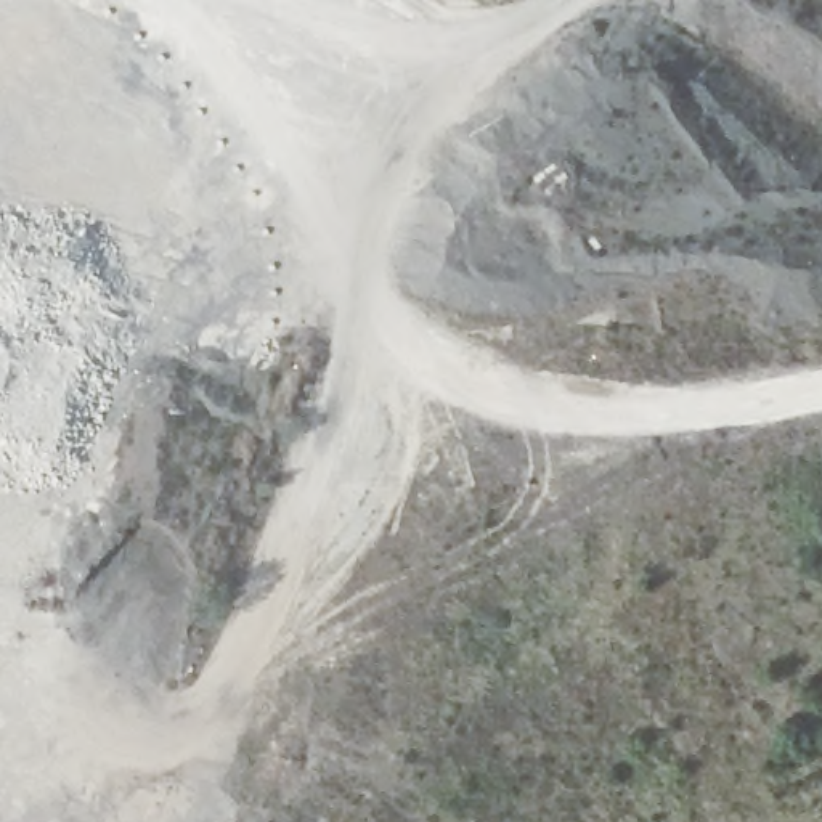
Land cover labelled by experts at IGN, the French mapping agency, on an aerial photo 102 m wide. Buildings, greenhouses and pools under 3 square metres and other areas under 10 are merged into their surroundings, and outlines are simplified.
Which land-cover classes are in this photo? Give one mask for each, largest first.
<instances>
[{"label":"pervious surface","instance_id":"1","mask_svg":"<svg viewBox=\"0 0 822 822\"><path fill-rule=\"evenodd\" d=\"M822 206V0H0V822H270V809L263 803L270 783L279 787L286 803L302 800L308 783L334 774L372 777L385 796H401L414 790V767L405 761L408 735L395 722L379 719V739H366L344 735L331 719L337 716V706L347 694L350 658L360 655V645L376 642L379 636V629L360 633V623L379 610L395 607L398 600H408L433 581L466 572L475 543H485L488 536L485 511H498L517 520L520 504H527V494H533L530 514L536 517L546 507V501H559L568 491L581 488L591 475L613 469L617 462H626L633 453L645 446L649 437L658 433L764 427L790 417L822 414V366L790 369L783 376H764V369H758L751 376H729L687 385H633L597 376H565V350L539 353L533 340L546 334L549 315L559 318L565 328L610 324L617 305H649L661 292H671L674 283H690L700 273H722L729 283H739L751 292L755 305L748 324L761 321L764 328H783L790 321H812L819 318V308L809 295L806 270H787L777 263L729 257L716 250L626 254L623 231H636L642 238L703 234L710 228L732 225L735 212L774 222L780 209ZM180 363L206 369L222 382L244 385V392L257 401L254 411H234L228 405H218L202 385H193V398L209 414L228 424H241V437L234 440L238 459H250V443L257 437L270 440L273 433H279V443L286 450V472L292 475V482H286L276 491V501L250 555L247 584L222 636L196 626L186 617L183 597L189 591H199L193 549L189 539L173 523L157 520L154 511L161 491L157 440L164 433V421L177 417L170 389Z\"/></svg>","mask_w":822,"mask_h":822},{"label":"herbaceous vegetation","instance_id":"2","mask_svg":"<svg viewBox=\"0 0 822 822\"><path fill-rule=\"evenodd\" d=\"M626 254L716 250L729 257L777 263L787 270H806L809 295L819 308V318L812 321H790L783 328H764L761 321L748 324L755 305L751 292L739 283H729L722 273H700L690 283H674L671 292H661L649 305H617L610 324L565 328L559 318L549 315L546 334L533 340L539 353L565 350V376H597L633 385H687L729 376H751L758 369H764V376H783L790 369L822 366V206L780 209L774 222L735 212L732 225L710 228L703 234L642 238L636 231H623ZM193 385H202L218 405H228L234 411H254L257 401L244 392V385L222 382L206 369L180 363L170 389L177 417L164 421V433L157 440L161 491L154 511L157 520L173 523L189 539L193 549L199 591H189L183 597L186 617L196 626L222 636L247 584L250 555L276 501V491L286 482H292V475L286 472V450L279 443V433H273L270 440L257 437L250 443V459H238L234 440L241 437V424H228L209 414L193 398ZM780 456H809L822 462V414L790 417L764 427L658 433L649 437L645 446L633 453L626 462H617L613 469L591 475L581 488L568 491L559 501H546V507L536 517L530 514L533 494H527V504H520L517 520L498 511H485L488 536L485 543H475L466 572L433 581L408 600H398L395 607L379 610L360 623V633L379 629V636L376 642L360 645V655L350 658L347 694L337 706V716L331 719L344 735L366 739H379V719L395 722L408 735L405 761L414 767V790L401 796H385L372 777L334 774L308 783L302 800L286 803L279 787L270 783L263 803L270 809V822H822V758L806 761L803 751H796L793 745V735L783 732V722L800 713V694H790L783 678L796 674L809 684L812 674L822 671V581L800 572V546L787 523V514L777 504V491H764V475L771 472V459Z\"/></svg>","mask_w":822,"mask_h":822},{"label":"brushwood","instance_id":"3","mask_svg":"<svg viewBox=\"0 0 822 822\"><path fill-rule=\"evenodd\" d=\"M764 491H777V504L787 514V523L800 546V572L822 581V462L809 456H780L771 459V472L764 475Z\"/></svg>","mask_w":822,"mask_h":822},{"label":"deciduous trees","instance_id":"4","mask_svg":"<svg viewBox=\"0 0 822 822\"><path fill-rule=\"evenodd\" d=\"M790 694H800V713L783 722V732L793 735V745L796 751H803L806 761L822 758V671L812 674L809 684L796 674L783 678Z\"/></svg>","mask_w":822,"mask_h":822}]
</instances>
